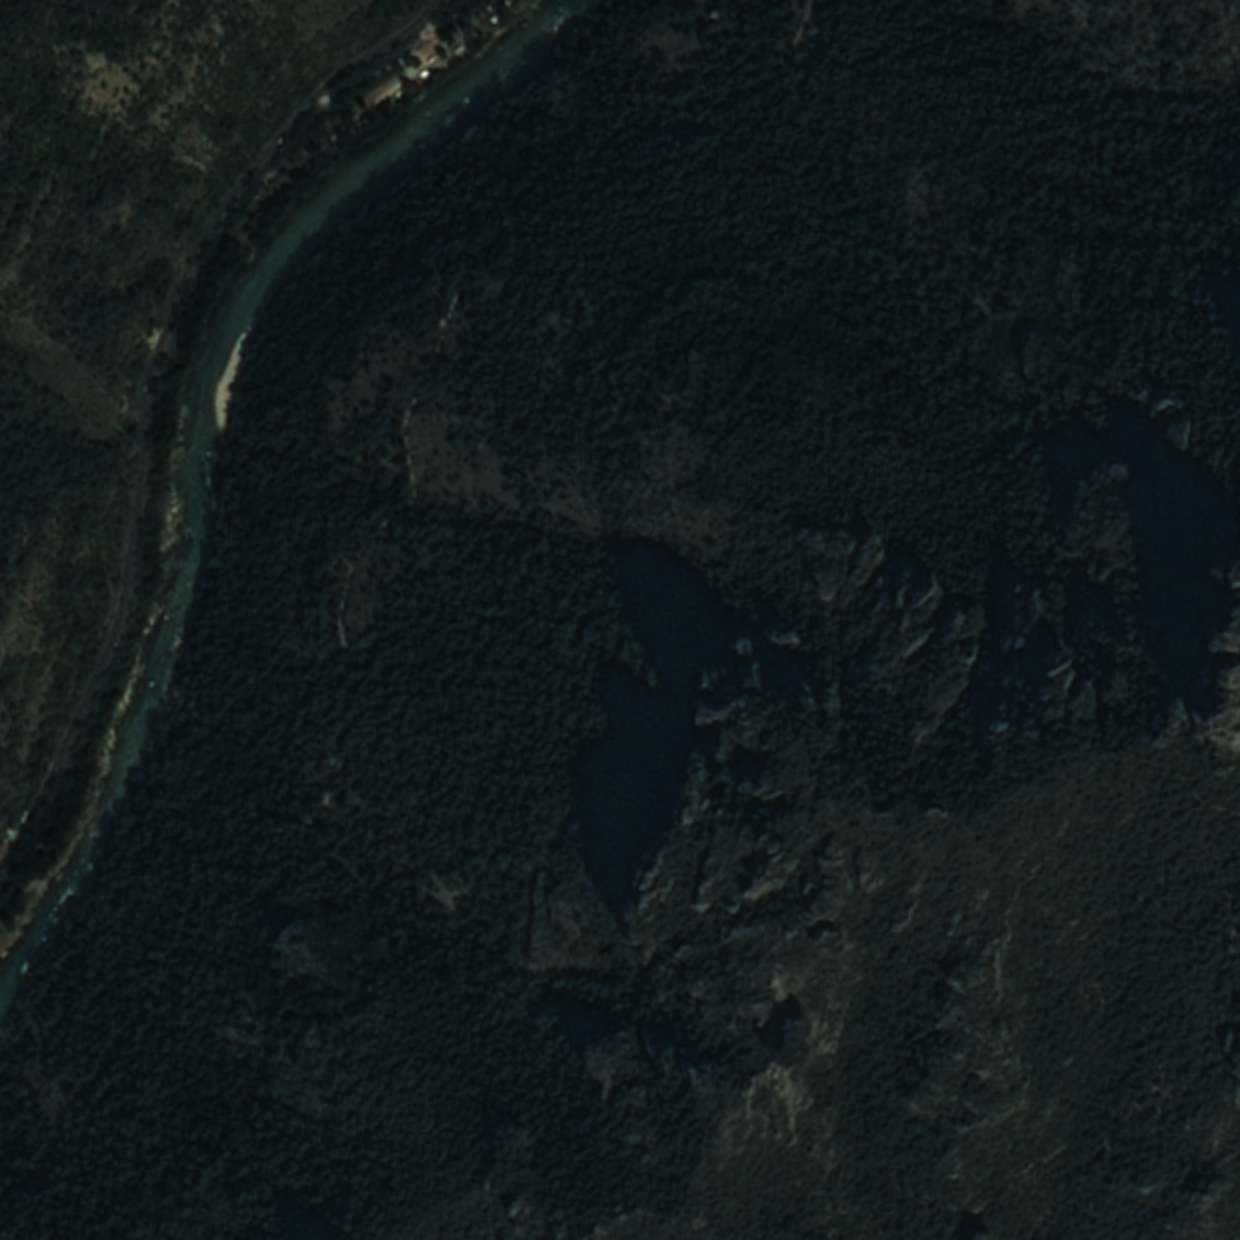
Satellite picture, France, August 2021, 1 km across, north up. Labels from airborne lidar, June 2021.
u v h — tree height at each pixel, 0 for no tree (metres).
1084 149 11
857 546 17
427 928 17
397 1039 9
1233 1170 9
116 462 8
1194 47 8
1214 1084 9
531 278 9
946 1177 7
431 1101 10
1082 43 8
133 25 6
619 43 17
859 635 6
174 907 7
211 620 18
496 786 10
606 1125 13
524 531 11
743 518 7
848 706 15
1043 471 13
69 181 6
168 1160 9
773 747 8
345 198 0
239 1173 10
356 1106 7
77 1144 8
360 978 8
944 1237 10
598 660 8
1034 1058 6
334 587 10
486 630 11
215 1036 8
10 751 8
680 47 0
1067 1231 12
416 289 18
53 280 7
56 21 6
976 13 10
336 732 6
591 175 7
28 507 10
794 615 12
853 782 9
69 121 6
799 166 18
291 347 8
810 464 14
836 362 10
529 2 0
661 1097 12
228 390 0
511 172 8
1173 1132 8
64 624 7
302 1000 11
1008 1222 13
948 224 5
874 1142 11
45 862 13
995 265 15
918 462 14
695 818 8
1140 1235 10
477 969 18
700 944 6
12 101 6
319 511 7
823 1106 6
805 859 12
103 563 10
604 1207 10
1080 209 6
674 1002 8
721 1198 6
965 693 15
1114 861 8
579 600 9
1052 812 6
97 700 11
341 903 6
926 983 7
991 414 12
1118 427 15
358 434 9
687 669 6
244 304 0
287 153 14
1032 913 7
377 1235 6
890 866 8
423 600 9
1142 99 13
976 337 14
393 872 9
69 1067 9
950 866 7
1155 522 12
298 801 19
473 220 10
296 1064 10
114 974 7
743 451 11
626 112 18
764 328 11
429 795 6
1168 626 12
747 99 16
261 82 7
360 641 7
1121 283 8
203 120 6
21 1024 9
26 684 6
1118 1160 12
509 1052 11
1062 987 9
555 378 6
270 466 11
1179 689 13
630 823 8
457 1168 7
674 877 7
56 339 9
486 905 9
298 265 13
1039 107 16
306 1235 7
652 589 15
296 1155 11
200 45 6
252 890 11
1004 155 12
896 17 14
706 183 14
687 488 7
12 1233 12
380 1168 10
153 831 9
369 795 9
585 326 8
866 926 10
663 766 11
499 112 24
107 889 13
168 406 11
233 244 13
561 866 9
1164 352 14
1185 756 9
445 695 8
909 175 8
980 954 7
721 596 13
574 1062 11
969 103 13
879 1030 8
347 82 17
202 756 7
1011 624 7
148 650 0
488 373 7
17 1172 8
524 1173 8
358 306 14
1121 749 6
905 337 17
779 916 8
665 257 11
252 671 9
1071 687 9
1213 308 13
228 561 18
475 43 12
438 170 14
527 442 7
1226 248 11
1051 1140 6
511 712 10
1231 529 12
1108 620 15
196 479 0
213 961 7
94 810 0
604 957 10
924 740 8
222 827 8
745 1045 7
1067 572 12
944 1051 6
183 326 13
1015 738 9
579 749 9
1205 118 14
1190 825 7
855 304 15
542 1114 13
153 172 7
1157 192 14
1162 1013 8
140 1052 8
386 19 6
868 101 9
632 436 9
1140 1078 10
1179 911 7
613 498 6
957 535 16
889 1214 12
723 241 10
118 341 6
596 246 14
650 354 11
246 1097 10
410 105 15
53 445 10
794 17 11
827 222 11
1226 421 15
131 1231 12
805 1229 8
